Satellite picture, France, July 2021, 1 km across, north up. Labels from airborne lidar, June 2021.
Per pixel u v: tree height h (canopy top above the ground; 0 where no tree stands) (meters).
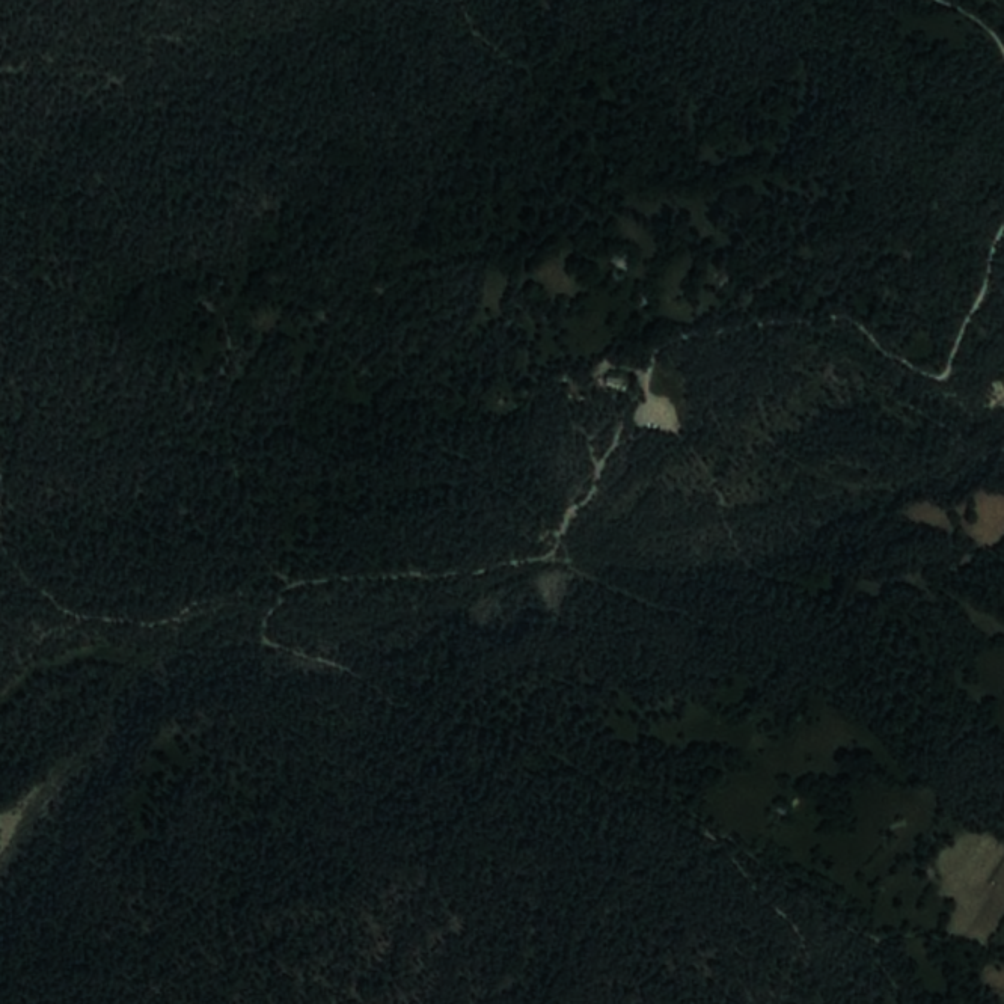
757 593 16
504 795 26
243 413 17
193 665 11
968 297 12
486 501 18
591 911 16
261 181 16
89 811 19
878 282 12
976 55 11
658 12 19
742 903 17
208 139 20
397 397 14
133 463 14
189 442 11
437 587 16
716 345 14
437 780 20
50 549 19
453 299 13
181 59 10
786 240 24
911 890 0
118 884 6
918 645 26
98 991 17
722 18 21
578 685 17
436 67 20
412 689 27
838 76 18
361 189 24
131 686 7
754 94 14
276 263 8
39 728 16
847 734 0
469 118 10
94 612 8
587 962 20
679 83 16
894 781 11
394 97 25
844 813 15
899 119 18
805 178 11
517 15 15
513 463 18
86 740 15
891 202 14
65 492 15
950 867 0
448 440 23
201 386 11
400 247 9
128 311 24
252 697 18
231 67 15
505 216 28
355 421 7
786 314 18
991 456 6
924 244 7
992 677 0
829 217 10
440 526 11
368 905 22
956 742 12
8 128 16
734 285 12
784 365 8
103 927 16
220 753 19
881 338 14
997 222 12
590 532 7
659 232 17
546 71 15
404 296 10
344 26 10
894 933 8
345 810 20
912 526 13
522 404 10
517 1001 17
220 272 11
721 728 0
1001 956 8
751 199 24
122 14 13
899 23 12
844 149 17
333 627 10
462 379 12
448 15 17
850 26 11
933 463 14
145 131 17
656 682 17
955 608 20
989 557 18
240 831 19
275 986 20
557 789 16
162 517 18
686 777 10
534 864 17
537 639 16
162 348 23
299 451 20
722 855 15
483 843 18
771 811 9
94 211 19
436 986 13
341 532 11
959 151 10
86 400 13
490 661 15
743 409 9
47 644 10
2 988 25
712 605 23
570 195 28
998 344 13
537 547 9
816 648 28
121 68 9
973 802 21
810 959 13
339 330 9
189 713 10
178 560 24
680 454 10
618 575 12
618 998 19
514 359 11
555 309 11
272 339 10
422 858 14
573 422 10
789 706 12
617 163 16
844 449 16
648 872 16
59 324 10
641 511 9
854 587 15
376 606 11
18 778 16
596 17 31
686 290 11
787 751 0
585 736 20
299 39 15
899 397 12
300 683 15
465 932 13
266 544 29
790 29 13
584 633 17
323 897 18
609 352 15
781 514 8
